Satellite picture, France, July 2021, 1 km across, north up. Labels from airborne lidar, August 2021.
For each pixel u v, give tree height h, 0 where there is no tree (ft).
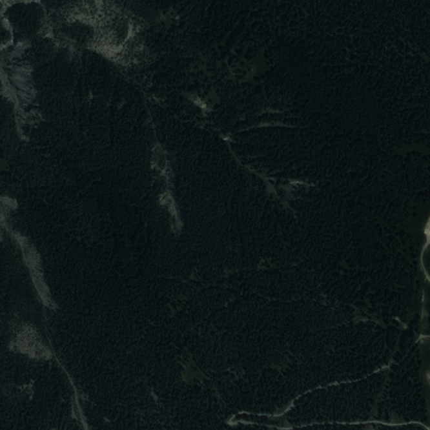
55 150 62
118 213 73
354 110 76
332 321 54
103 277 73
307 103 62
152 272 71
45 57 65
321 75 69
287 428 0
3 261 52
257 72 0
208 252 78
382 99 76
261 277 98
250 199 34
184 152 70
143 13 50
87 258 74
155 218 71
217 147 75
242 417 37
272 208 73
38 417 84
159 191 55
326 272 94
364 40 96
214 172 111
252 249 77
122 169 64
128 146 66
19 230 21
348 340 68
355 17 70
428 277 0
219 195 79
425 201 46
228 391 65
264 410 70
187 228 42
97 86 74
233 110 37
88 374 83
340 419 53
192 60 46
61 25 24
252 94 81
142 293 67
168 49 86
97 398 62
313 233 83
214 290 82
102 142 30
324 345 68
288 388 80
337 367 69
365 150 64
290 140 69
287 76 63
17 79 0
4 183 37
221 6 52
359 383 25
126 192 76
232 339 61
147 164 45
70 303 81
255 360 83
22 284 37
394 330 95
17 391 44
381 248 67
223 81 34
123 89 106
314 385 60
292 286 85
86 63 49
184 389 65
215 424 75
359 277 60
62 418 64
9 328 31
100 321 80
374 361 78
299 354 76
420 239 0
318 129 60
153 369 49
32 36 31
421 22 87
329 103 73
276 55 62
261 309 73
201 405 65
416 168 63
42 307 25
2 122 57
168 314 89
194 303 80
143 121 56
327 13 71
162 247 70
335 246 71
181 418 38
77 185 74
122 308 73
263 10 82
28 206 63
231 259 67
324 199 65
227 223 74
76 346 88
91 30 26
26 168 52
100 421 54
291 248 81
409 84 52
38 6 69
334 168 59
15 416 85
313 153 73
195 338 94
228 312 83
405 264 62
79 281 98
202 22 65
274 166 62
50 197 72
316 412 54
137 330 59
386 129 63
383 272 44
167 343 71
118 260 43
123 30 29
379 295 67
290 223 65
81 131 44
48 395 72
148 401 72
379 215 37
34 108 39
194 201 87
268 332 84
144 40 31
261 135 56
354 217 73
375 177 49
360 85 59
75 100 47
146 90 35
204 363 87
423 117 65
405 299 57
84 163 55
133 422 58
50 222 82
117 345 78
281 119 72
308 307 79
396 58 26
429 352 0
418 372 61
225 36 66
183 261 73
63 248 94
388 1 66
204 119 47
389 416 64
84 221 75
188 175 83
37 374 57
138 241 68
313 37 97
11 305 38
